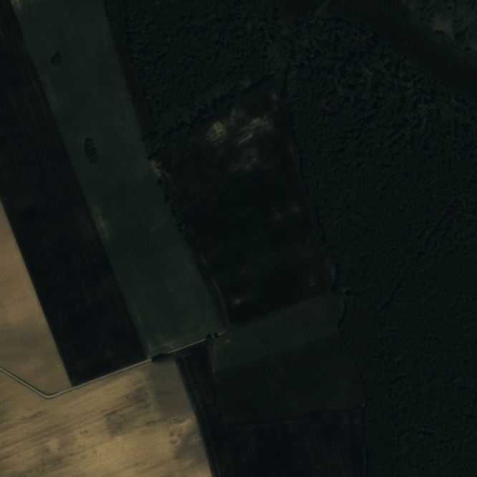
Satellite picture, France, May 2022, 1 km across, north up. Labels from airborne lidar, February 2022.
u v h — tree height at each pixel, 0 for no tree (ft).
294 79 84
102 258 0
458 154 71
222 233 0
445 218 68
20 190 0
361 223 70
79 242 0
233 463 0
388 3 0
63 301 0
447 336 73
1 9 0
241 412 0
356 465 0
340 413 0
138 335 0
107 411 0
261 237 0
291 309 0
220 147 0
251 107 0
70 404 0
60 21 0
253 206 0
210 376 0
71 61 0
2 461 0
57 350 0
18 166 0
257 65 86
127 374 0
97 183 0
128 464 0
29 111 0
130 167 0
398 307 76
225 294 0
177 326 0
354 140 73
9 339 0
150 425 0
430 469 72
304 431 0
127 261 0
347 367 0
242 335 0
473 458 73
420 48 0
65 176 0
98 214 0
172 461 0
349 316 39
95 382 0
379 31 0
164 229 0
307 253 0
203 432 0
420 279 39
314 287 0
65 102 0
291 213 0
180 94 72
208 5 84
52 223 0
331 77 96
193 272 0
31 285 0
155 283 0
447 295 75
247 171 0
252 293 0
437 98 91
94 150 36
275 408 0
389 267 66
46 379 0
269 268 0
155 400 0
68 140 0
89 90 0
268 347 0
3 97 0
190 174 0
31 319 0
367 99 72
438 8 21
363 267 63
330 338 0
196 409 0
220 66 83
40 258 0
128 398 0
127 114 0
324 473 0
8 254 0
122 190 0
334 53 21
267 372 0
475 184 67
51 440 0
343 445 0
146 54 78
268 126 0
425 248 63
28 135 0
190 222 0
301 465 0
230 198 0
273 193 0
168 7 81
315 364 0
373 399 34
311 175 68
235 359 0
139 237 0
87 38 0
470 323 69
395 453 41
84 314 0
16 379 0
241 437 0
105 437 0
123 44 0
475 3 52
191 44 83
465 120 88
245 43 97
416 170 64
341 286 68
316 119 85
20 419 0
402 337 75
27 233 0
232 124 0
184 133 62
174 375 0
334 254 52
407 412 83
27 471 0
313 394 0
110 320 0
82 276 0
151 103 53
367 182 73
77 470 0
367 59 84
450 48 0
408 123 94
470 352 71
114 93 0
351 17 0
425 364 84
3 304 0
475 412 80
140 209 0
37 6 0
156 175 0
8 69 0
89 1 0
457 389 69
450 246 66
